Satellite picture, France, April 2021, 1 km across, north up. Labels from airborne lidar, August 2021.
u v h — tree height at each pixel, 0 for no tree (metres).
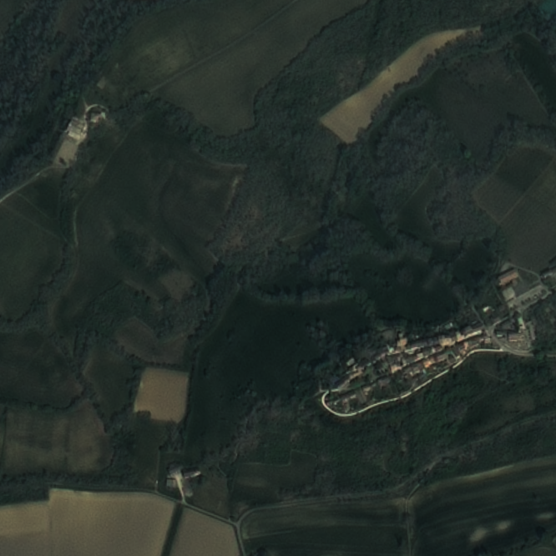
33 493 14
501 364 15
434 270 18
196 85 0
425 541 0
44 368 0
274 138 17
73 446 0
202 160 0
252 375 0
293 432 13
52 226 0
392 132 7
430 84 0
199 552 0
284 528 0
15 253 0
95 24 9
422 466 19
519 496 0
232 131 0
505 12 12
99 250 0
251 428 12
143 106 18
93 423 0
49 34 18
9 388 0
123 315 13
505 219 0
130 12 18
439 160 10
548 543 24
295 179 11
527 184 0
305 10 0
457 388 14
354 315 0
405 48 14
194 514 0
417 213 0
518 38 0
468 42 20
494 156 13
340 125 0
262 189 21
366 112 0
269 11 0
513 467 0
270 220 10
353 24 21
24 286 0
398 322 12
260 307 0
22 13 9
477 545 0
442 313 0
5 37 8
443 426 6
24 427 0
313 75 6
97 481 8
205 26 0
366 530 0
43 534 0
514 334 0
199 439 0
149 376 0
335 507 0
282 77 9
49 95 0
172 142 0
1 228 0
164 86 0
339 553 0
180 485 0
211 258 0
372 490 19
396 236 14
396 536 0
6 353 0
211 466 12
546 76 0
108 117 11
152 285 0
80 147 10
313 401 0
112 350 16
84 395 13
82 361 15
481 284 29
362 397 0
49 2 22
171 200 0
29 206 0
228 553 0
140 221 0
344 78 12
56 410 8
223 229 15
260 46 0
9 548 0
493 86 0
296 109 11
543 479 0
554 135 20
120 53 0
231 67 0
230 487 7
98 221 0
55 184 0
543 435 11
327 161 13
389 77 0
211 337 0
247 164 16
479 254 0
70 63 16
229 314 0
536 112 0
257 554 0
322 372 11
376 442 10
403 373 10
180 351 0
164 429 0
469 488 0
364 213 0
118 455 15
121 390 0
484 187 0
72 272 13
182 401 0
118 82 0
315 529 0
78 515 0
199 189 0
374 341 9
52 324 12
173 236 0
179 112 19
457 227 18
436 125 8
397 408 16
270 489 0
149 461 0
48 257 0
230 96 0
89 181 0
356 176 31
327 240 30
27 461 0
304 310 0
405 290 0
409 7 17
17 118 19
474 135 0
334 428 8
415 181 8
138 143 0
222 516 0
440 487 0
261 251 21
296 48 0
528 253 0
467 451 11
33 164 18
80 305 0
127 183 0
